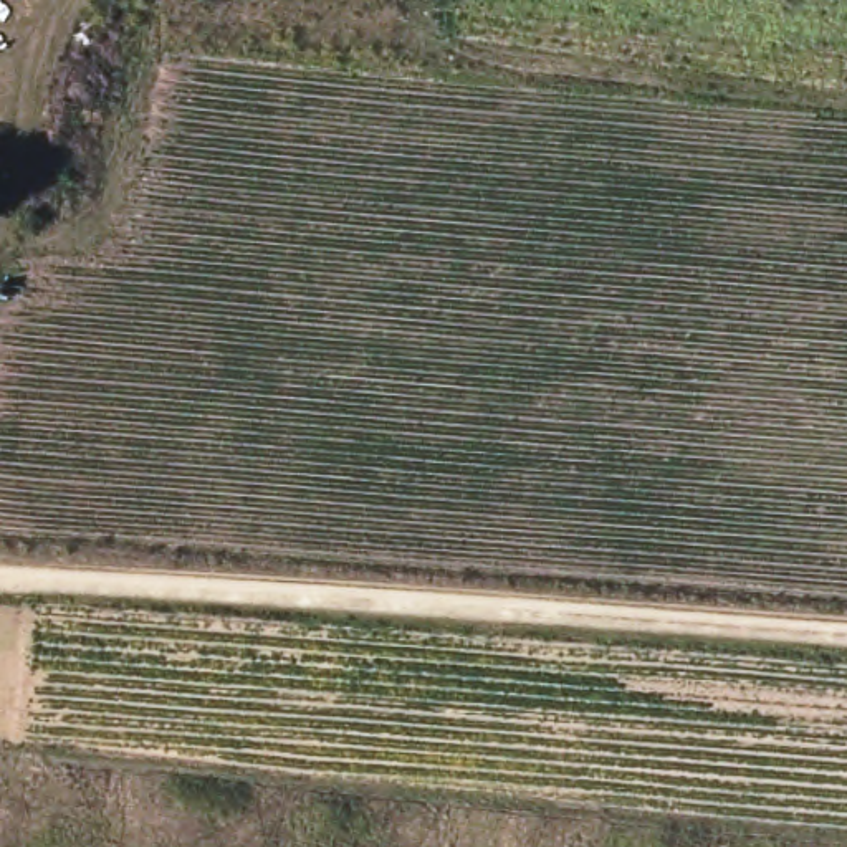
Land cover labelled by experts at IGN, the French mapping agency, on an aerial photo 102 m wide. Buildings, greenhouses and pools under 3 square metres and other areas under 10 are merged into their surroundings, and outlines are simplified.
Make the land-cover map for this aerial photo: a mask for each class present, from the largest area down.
<instances>
[{"label":"agricultural land","instance_id":"1","mask_svg":"<svg viewBox=\"0 0 847 847\"><path fill-rule=\"evenodd\" d=\"M89 0H0V119L20 129L30 119V86L40 83L43 73H53L60 66L63 43L76 40L69 20ZM146 63L139 66L136 79H129V109L112 116L103 146L106 152L116 149L122 136H129L139 126H146L149 139H162L165 179L175 182L165 185L162 195H149V205H162V218L152 222V235L142 245L119 248L126 261L122 271L56 265L53 271L66 288V308L20 311L23 344L46 347V354L23 351L17 357V377H0V569L46 566L93 572H242L308 586L387 582V589L430 592L480 589L582 602H682L741 605L761 612L787 609L847 615V0H156V20L142 36ZM0 735L7 741L69 744L99 754L162 758L182 764L235 768L245 774L261 771L331 784L473 791L496 797L553 801L566 807H612L622 814L744 821L768 827L814 824L821 830H847V645L0 589Z\"/></svg>","mask_w":847,"mask_h":847},{"label":"herbaceous vegetation","instance_id":"2","mask_svg":"<svg viewBox=\"0 0 847 847\"><path fill-rule=\"evenodd\" d=\"M156 20V0H89L69 20L76 40L63 43L60 66L53 73H43L40 83L30 86V119L20 129L0 119V377H17V357L23 351L46 354V347L23 344L20 311L66 308V288L53 271L56 265L122 271L126 261L119 248L142 245L152 235V222L162 218V205H149V195H162L165 185L175 182L165 179L162 139H149L146 126H139L129 136H122L116 149L106 152L103 146L112 116L129 109V79H136L139 66L146 63L142 36ZM0 847H847V830H821L814 824L768 827L744 821L622 814L612 807H566L553 801L496 797L473 791L331 784L261 771L245 774L235 768L182 764L162 758L99 754L69 744L7 741L0 735Z\"/></svg>","mask_w":847,"mask_h":847},{"label":"pervious surface","instance_id":"3","mask_svg":"<svg viewBox=\"0 0 847 847\"><path fill-rule=\"evenodd\" d=\"M0 589L847 645V615L787 609L761 612L741 605L682 602H582L480 589L430 592L387 589V582L308 586L242 572H93L46 566L0 569Z\"/></svg>","mask_w":847,"mask_h":847}]
</instances>
